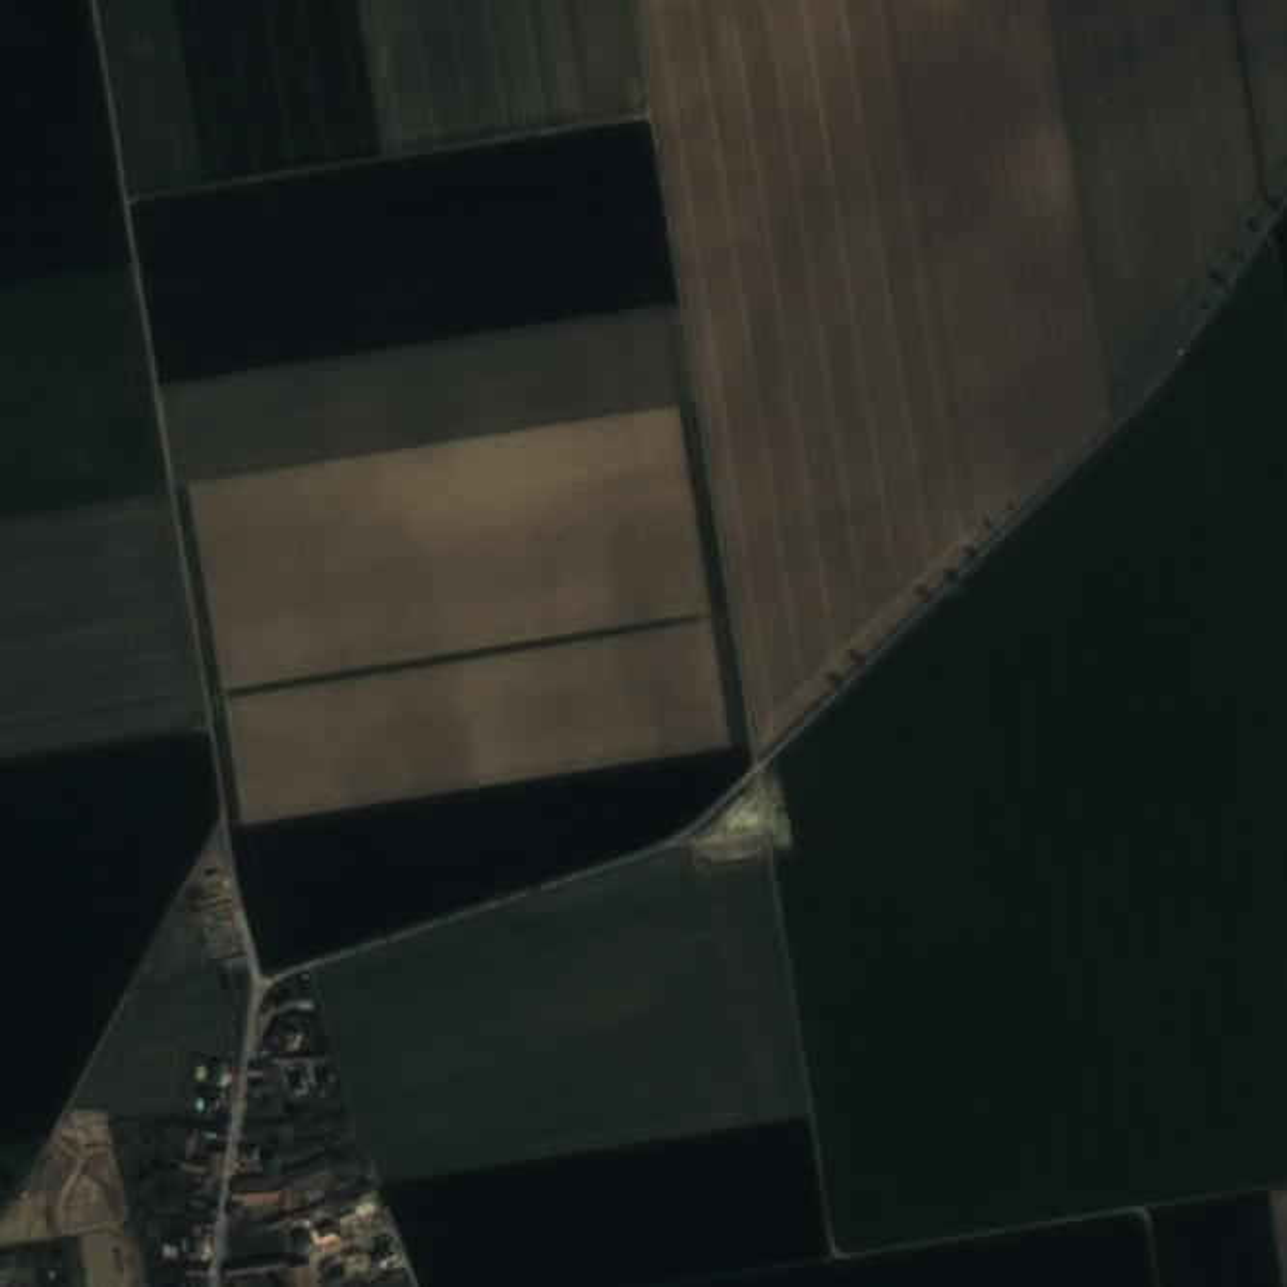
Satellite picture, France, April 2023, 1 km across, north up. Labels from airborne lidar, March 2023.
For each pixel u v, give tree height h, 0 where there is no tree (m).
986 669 0
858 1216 0
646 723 0
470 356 0
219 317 0
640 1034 0
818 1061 0
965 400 0
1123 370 0
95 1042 0
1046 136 0
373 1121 0
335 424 0
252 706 0
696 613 0
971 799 0
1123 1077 0
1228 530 0
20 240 0
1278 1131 0
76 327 0
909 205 0
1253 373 0
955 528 0
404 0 0
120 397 0
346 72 0
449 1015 0
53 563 0
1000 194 0
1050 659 0
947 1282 0
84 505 0
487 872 0
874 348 0
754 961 0
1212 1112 0
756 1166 0
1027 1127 0
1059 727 0
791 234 0
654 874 0
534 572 0
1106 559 0
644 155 0
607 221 0
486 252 0
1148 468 0
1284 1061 0
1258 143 0
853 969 0
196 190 0
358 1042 0
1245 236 0
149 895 0
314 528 0
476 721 0
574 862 0
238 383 0
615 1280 0
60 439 0
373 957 0
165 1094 0
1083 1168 0
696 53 0
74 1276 0
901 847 0
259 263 0
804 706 0
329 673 0
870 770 0
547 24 0
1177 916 0
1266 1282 0
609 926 0
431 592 0
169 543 0
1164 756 0
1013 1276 0
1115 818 0
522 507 0
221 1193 0
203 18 0
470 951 0
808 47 0
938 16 0
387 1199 0
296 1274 0
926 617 0
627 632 0
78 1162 0
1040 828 0
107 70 0
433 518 0
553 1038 0
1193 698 0
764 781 0
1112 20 0
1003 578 0
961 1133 0
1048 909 0
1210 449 0
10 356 0
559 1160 0
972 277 0
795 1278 0
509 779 0
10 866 0
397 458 0
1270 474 0
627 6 0
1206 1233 0
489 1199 0
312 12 0
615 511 0
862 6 0
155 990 0
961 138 0
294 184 0
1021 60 0
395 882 0
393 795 0
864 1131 0
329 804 0
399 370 0
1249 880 0
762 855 0
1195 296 0
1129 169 0
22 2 0
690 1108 0
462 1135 0
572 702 0
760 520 0
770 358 0
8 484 0
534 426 0
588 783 0
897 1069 0
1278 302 0
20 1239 0
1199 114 0
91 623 0
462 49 0
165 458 0
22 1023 0
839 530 0
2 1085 0
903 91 0
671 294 0
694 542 0
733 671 0
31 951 0
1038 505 0
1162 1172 0
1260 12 0
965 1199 0
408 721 0
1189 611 0
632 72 0
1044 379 0
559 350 0
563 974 0
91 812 0
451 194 0
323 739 0
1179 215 0
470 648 0
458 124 0
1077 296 0
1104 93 0
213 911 0
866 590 0
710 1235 0
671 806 0
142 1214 10
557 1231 0
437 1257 0
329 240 0
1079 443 0
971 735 0
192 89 0
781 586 0
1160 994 0
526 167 0
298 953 0
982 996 0
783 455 0
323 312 0
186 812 0
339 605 0
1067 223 0
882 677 0
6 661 0
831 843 0
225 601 0
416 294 0
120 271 0
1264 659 0
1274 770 0
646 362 0
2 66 0
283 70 0
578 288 0
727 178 0
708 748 0
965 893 0
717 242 0
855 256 0
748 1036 0
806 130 0
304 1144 0
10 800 0
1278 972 0
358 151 0
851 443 0
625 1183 0
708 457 0
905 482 0
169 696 0
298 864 0
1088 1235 0
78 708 0
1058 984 0
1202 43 0
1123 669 0
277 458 0
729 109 0
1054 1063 0
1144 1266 0
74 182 0
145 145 0
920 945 0
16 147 0
